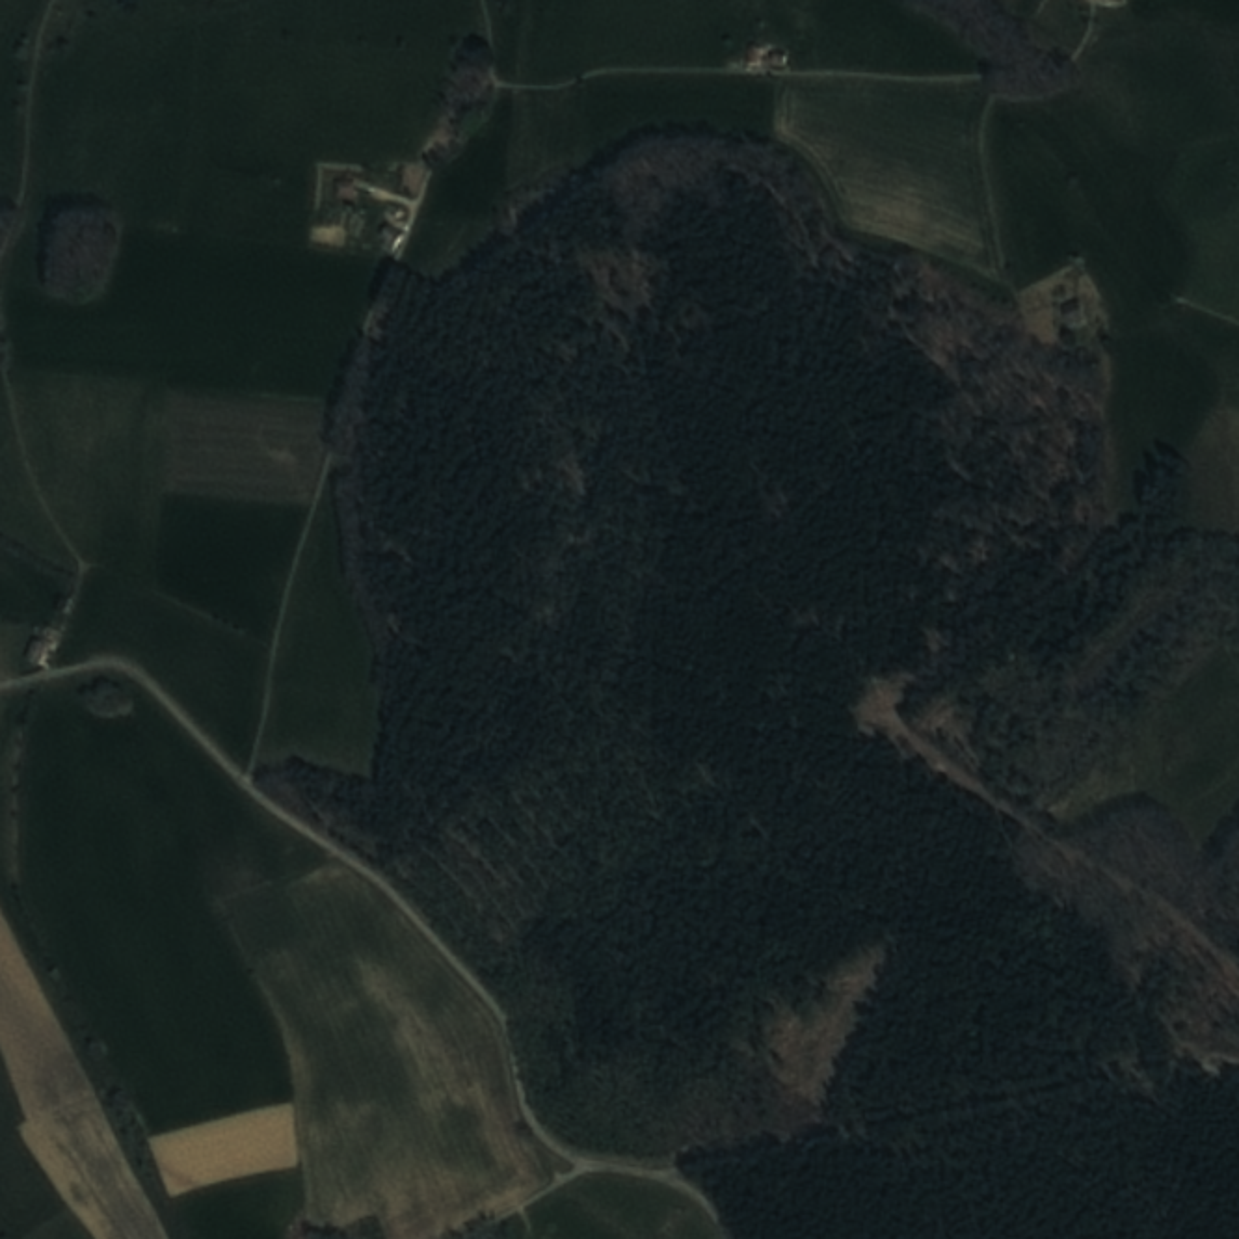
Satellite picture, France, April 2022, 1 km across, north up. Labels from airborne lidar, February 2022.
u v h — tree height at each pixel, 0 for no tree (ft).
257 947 0
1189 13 0
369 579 77
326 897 0
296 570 0
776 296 80
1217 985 90
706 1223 0
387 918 0
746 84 0
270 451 0
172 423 0
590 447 63
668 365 51
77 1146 0
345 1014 0
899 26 0
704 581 68
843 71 0
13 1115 0
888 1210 83
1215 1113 74
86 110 0
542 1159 0
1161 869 104
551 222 85
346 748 0
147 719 0
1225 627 58
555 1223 0
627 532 62
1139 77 0
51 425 0
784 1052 0
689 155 98
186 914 0
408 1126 0
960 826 72
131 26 0
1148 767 0
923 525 55
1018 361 116
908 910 71
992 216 0
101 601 0
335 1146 0
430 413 86
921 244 0
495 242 0
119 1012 0
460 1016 0
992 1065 87
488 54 89
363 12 0
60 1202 0
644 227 89
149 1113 0
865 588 60
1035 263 0
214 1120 0
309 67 0
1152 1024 76
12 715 0
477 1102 0
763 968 75
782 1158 99
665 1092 56
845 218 0
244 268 0
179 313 0
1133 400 0
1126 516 0
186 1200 0
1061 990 71
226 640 0
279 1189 0
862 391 92
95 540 0
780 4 0
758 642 64
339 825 57
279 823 0
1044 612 50
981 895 74
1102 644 58
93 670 0
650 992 83
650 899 86
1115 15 0
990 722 69
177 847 0
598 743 70
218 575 0
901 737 0
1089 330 0
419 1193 0
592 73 0
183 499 0
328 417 0
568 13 0
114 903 0
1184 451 0
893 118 0
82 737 0
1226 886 99
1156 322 0
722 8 0
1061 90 85
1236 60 0
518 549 88
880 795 71
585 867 57
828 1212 94
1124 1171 82
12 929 0
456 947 57
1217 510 0
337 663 0
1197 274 0
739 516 57
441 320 57
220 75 0
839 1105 74
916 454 31
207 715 0
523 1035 60
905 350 55
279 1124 0
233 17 0
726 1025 90
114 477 0
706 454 74
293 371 0
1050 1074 81
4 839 0
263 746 0
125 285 0
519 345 62
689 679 60
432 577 89
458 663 99
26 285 0
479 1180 0
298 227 0
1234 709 0
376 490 90
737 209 83
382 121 0
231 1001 0
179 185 0
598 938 77
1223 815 0
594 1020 70
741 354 79
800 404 73
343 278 0
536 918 61
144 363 0
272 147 0
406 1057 0
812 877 76
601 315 88
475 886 55
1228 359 0
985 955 77
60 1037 0
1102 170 0
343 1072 0
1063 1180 90
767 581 72
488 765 77
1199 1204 72
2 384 0
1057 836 63
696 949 72
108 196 0
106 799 0
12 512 0
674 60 0
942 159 0
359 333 0
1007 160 0
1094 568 53
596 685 75
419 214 0
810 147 0
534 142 0
